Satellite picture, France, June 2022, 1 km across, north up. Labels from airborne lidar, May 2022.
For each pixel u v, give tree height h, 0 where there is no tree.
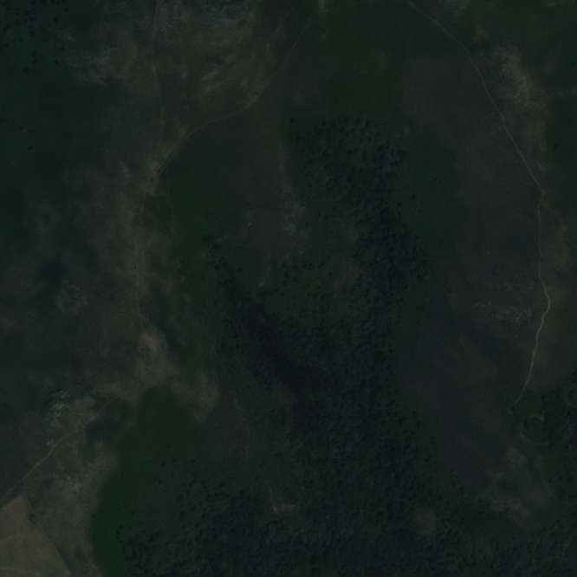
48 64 0
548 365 0
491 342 0
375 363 12
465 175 0
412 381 0
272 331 11
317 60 0
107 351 0
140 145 0
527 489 0
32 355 0
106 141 0
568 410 9
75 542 0
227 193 0
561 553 15
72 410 0
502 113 0
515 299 0
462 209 0
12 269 0
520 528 0
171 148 0
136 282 0
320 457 10
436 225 0
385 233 12
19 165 0
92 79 0
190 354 0
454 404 0
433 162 0
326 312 8
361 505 14
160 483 10
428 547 8
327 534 7
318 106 0
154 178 0
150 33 0
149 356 0
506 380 0
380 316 15
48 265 0
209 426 0
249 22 0
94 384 0
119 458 0
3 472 0
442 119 0
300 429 9
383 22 0
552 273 0
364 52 0
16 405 0
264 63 0
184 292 0
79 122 0
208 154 0
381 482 16
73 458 0
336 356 15
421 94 0
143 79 0
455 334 0
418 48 0
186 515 11
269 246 0
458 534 10
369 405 11
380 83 0
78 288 0
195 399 0
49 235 0
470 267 0
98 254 0
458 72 0
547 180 0
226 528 15
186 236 0
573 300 0
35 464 0
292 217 0
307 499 9
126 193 0
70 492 0
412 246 19
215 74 0
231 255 0
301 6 0
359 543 16
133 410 0
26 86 0
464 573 12
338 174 11
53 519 0
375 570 15
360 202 15
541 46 0
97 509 0
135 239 0
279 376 9
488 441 0
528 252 0
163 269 0
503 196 0
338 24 0
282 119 0
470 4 0
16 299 0
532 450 0
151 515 7
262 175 0
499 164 0
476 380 0
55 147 0
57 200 0
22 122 0
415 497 9
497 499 0
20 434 0
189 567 17
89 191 0
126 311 0
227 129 0
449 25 0
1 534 0
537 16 0
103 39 0
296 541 11
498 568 11
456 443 0
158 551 12
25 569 0
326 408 9
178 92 0
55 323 0
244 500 11
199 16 0
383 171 14
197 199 0
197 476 9
